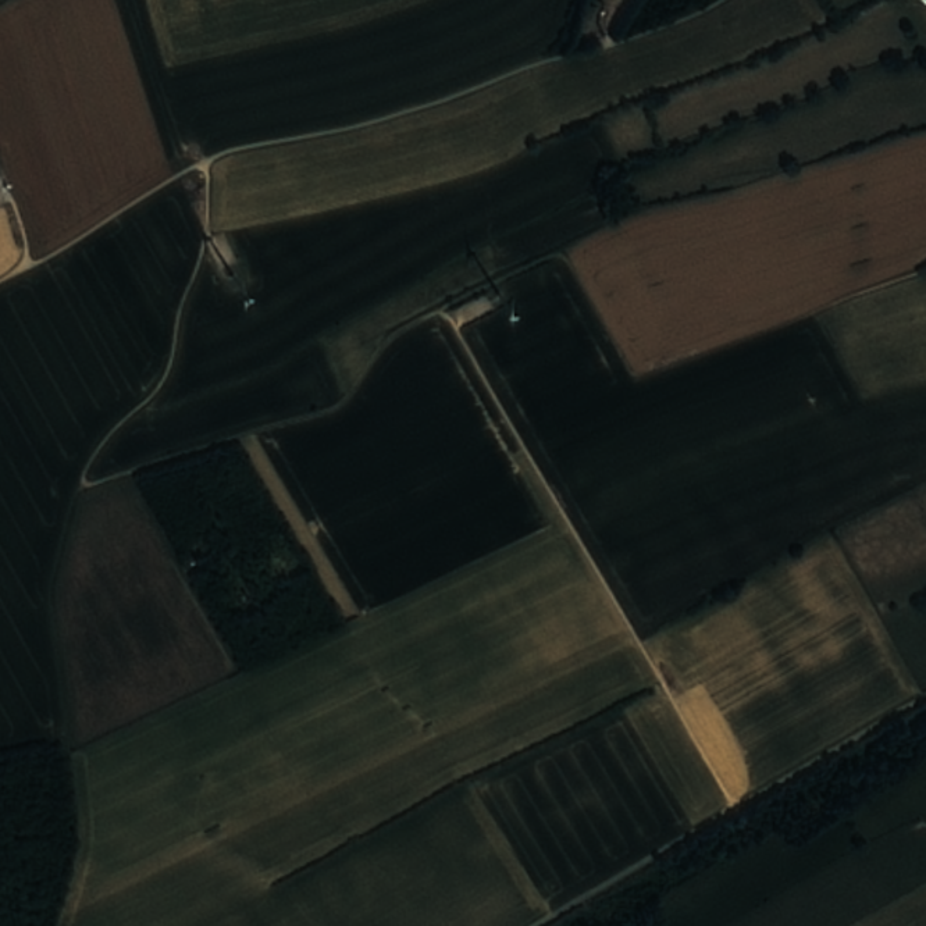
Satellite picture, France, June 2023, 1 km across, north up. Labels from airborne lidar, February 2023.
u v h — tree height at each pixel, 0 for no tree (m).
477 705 0
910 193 0
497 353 0
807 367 0
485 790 0
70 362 0
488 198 0
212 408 0
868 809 0
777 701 0
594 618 0
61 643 0
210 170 0
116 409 0
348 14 0
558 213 0
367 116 0
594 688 0
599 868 0
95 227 0
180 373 0
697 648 0
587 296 0
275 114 0
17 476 0
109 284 0
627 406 0
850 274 0
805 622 0
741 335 0
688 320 0
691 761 0
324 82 0
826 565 0
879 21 0
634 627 0
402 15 0
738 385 0
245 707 0
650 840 0
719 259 0
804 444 0
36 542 0
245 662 13
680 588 0
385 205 0
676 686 0
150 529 0
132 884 0
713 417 0
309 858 0
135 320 0
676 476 0
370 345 0
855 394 0
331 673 0
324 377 0
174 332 0
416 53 0
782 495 0
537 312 0
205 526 11
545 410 0
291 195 0
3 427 0
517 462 0
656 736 0
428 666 0
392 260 0
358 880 0
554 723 0
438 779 0
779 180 0
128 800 0
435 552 0
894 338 0
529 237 0
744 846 12
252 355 0
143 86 0
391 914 0
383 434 0
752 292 0
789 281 0
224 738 0
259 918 0
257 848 0
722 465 0
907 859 0
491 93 0
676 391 0
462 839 0
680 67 0
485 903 0
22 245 0
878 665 0
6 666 0
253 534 15
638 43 0
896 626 0
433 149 0
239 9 0
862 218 0
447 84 0
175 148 0
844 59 0
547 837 0
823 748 0
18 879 15
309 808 0
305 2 0
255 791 0
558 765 0
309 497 0
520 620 0
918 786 0
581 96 0
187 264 0
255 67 0
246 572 14
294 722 0
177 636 0
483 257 0
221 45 0
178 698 0
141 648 0
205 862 0
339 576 0
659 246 0
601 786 0
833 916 0
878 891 0
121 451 0
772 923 0
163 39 0
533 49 0
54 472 0
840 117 0
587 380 0
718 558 0
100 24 0
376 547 0
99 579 0
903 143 0
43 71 0
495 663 0
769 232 0
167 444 0
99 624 0
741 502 0
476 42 0
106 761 0
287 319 0
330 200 0
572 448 0
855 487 0
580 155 0
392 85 0
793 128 0
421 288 0
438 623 0
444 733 0
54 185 0
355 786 0
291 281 0
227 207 0
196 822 0
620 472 0
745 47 0
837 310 0
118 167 0
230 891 0
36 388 0
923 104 0
